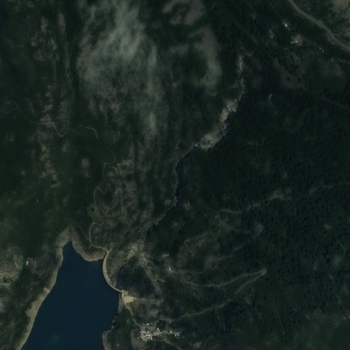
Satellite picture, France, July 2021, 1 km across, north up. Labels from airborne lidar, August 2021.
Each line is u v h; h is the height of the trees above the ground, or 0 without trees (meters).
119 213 0
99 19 8
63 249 0
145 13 6
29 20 0
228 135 16
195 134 9
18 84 0
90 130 0
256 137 12
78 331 0
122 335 0
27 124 0
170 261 0
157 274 0
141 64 7
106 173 0
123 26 19
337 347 0
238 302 7
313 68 0
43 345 0
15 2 0
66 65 8
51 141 0
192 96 17
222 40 17
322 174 8
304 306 0
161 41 8
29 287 0
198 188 8
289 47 7
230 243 6
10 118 0
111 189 0
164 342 0
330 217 12
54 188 0
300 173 10
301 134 6
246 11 11
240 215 6
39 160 0
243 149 14
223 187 15
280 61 16
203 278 7
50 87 0
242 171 18
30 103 0
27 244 0
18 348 0
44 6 7
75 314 0
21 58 0
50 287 0
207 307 7
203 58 6
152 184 8
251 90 11
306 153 17
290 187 12
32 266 0
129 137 0
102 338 0
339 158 9
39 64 0
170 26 6
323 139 8
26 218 0
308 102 9
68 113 0
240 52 6
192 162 10
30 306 0
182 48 11
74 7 8
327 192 17
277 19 7
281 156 7
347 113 7
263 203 11
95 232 0
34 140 0
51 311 0
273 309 0
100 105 0
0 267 0
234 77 7
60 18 0
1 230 0
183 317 0
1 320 0
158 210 14
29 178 0
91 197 0
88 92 7
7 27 0
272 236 10
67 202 0
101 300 0
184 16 7
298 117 7
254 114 12
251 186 16
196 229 0
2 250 0
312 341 0
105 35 9
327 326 0
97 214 0
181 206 7
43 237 0
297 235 11
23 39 0
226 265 0
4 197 0
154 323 0
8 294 0
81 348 0
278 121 12
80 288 0
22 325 0
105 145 0
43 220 0
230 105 0
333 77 0
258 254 10
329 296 9
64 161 0
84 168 0
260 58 6
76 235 0
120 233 0
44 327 0
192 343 0
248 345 0
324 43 13
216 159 14
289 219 12
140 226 6
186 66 11
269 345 0
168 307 0
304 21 8
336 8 0
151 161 7
